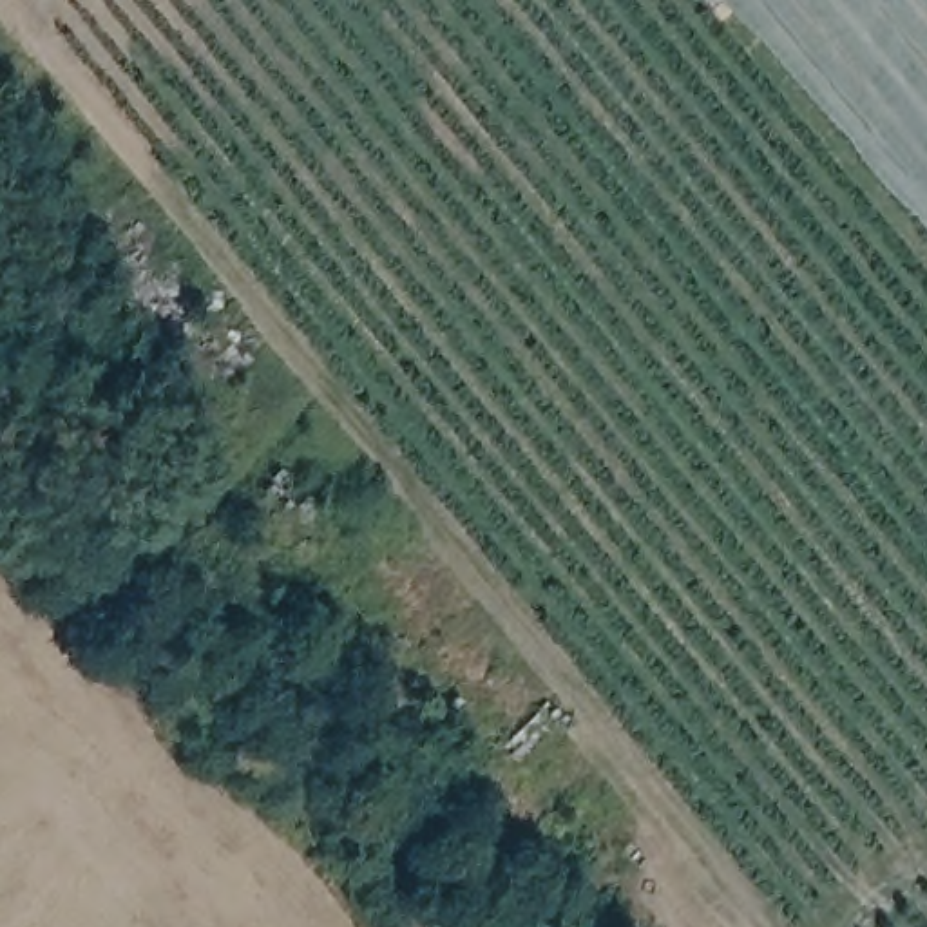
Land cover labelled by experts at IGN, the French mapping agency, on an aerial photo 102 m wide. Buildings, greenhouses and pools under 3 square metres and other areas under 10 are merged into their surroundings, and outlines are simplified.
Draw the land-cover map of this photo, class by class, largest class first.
<instances>
[{"label":"deciduous trees","instance_id":"1","mask_svg":"<svg viewBox=\"0 0 927 927\"><path fill-rule=\"evenodd\" d=\"M130 40V51H123L87 11L83 0H69V7L83 18L91 36L141 87V94L181 141L170 152L156 138V130L127 101L119 83L80 43L72 25L54 22V33L65 40L72 58L94 76V83L112 98L123 119L138 130L152 159L177 185L188 188L192 203L221 228V235L253 268L264 290L304 330L311 348L326 358L330 373L344 380L355 402L377 416L380 435L406 453L420 482L464 521V529L478 540L485 558L532 608L540 626L572 655L579 674L601 692L608 710L619 717L623 731L655 760V768L670 779V786L684 797L699 822L735 858L739 873L764 894L768 905H779V913L789 923L800 913L815 909L818 887H811V876L836 873L844 865L858 869V840H865L873 855H884V836H913L927 829V0H210V7L235 33V40L286 94V101L275 105L217 40V33L199 18V11L185 0H170L174 11L214 51V58L232 72V80L217 83V76L199 62V54L159 14L152 0H134L145 11V18L174 43V54L163 58L138 33V25L116 0H101ZM431 72H442L467 101V109L478 116L471 130L431 87ZM36 80L14 69L11 51H0V579L7 583L22 612L51 623L54 645L87 681L130 688L138 695L145 717L156 728V739L170 750V757L188 779L228 789L235 804L253 808L261 822H268L290 847H297L315 865V873L340 891L355 927H594L597 909L619 902L623 894L616 887L590 884L583 876L579 855L558 851V836L540 833L525 844L518 858L507 855L500 847V836L503 822L514 815L500 786L485 779L496 750L482 735H474L456 699H445V684H431L424 674L398 666L391 659L387 623H366L362 616L340 608V601L330 590H315V583L308 579L272 572L268 565H261L257 572L253 565H243L246 550L257 547L264 536L257 503L272 489L279 464H268L261 474H246L243 482H235L232 474L214 478L217 438L214 420L203 409V395L196 387L188 348L163 337V315L134 301L130 268L123 264L119 246L109 235V225L101 217L80 214L76 185L69 181L72 170L62 163L51 167V130L40 116H33V105L25 101V91ZM304 485L315 489L311 503L330 507V525L340 536L373 532L380 518H395L402 507V500L387 489L384 471L362 456L351 460L344 471L337 464L308 460Z\"/></svg>","mask_w":927,"mask_h":927},{"label":"herbaceous vegetation","instance_id":"2","mask_svg":"<svg viewBox=\"0 0 927 927\"><path fill-rule=\"evenodd\" d=\"M25 11L33 33H54V22L72 25L80 43L119 83L127 101L156 130V138L170 152L181 141L141 94V87L91 36L83 18L69 7V0H14ZM87 11L123 51H130V40L101 0H83ZM138 25V33L163 58L174 54V43L145 18V11L134 0H116ZM159 14L199 54V62L217 76V83L232 80V72L214 58V51L174 11L170 0H152ZM199 11V18L217 33V40L275 105L286 101V94L235 40V33L210 7V0H185ZM0 51H11L14 69L36 80L25 91V101L33 105L58 112L65 101L51 76L36 65V58L22 54L14 40L0 29ZM431 87L471 130L478 116L467 109V101L442 72H431ZM0 927H355L340 891L315 873V865L297 847H290L268 822H261L253 808L235 804L228 789L188 779L170 757V750L156 739V728L145 717L138 695L130 688L87 681L54 645L51 623L22 612L7 583L0 579ZM540 833L532 818L514 815L503 822L500 836V847L507 855L518 858L525 844ZM858 869L844 865L836 873L811 876V887H818L815 909L800 913L789 923V927H927V829L913 836H884V855H873L865 840H858ZM655 905V880L641 873L634 876V887L623 894L619 902L597 909L594 927H659L648 913Z\"/></svg>","mask_w":927,"mask_h":927},{"label":"brushwood","instance_id":"3","mask_svg":"<svg viewBox=\"0 0 927 927\"><path fill-rule=\"evenodd\" d=\"M33 116H40L51 130V167L62 163L72 170L69 181L76 185L80 214L101 217L109 225V235L119 246L123 264L130 268L134 301L163 315V337L188 348L196 387L203 395V409L214 420L217 438L214 478L232 474L235 482H243L246 474H261L268 464H279L272 489L257 503L264 536L257 547L246 550L243 565H253L257 572L261 565H268L272 572L308 579L315 583V590H330L340 601V608L362 616L366 623H387L391 659L398 666L424 674L431 684H445V699H456L474 735H482L496 750L485 779L500 786L514 815L532 818L540 833L558 836V851L579 855L583 876L590 884L616 887L623 894L634 887V876L641 873V865H634V858L626 855L637 826L626 804L601 775L590 771V760L569 739V731L576 728V713L547 692L543 677L507 641L503 626L449 576V569L438 565V558L424 554L420 521L413 511L402 507L395 518H380L373 532L340 536L330 525V507L311 503L315 489L304 485L308 460L337 464L344 471L351 460L362 456L351 445V438L337 427V420L319 413L304 384L261 340L257 326L243 315L239 301L221 297L214 290V275L192 250V243L167 221L159 203L65 101L58 112L33 105Z\"/></svg>","mask_w":927,"mask_h":927},{"label":"pervious surface","instance_id":"4","mask_svg":"<svg viewBox=\"0 0 927 927\"><path fill-rule=\"evenodd\" d=\"M0 29L14 40L22 54L36 58V65L51 76L65 101L159 203L167 221L192 243V250L214 275V290L221 297L239 301L243 315L257 326L261 340L304 384L319 413L337 420V427L351 438V445L362 456L384 471L387 489L402 500V507L413 511L420 521L424 554L438 558V565L449 569V576L503 626L507 641L543 677L547 692L576 713V728L569 731V739L590 760V771L601 775L626 804L637 826L626 855L634 858V865H641V873L655 880V905L648 913L659 927H789V923L779 913V905H768L764 894L739 873L735 858L699 822L684 797L670 786V779L655 768V760L623 731L619 717L608 710L601 692L579 674L572 655L540 626L532 608L485 558L478 540L464 529V521L420 482L406 453L380 435L377 416L355 402L344 380L330 373L326 358L311 348L304 330L264 290L253 268L221 235V228L192 203L188 188L177 185L152 159L138 130L123 119L112 98L94 83V76L72 58L65 40L54 33H33L25 11L14 0H0Z\"/></svg>","mask_w":927,"mask_h":927}]
</instances>
